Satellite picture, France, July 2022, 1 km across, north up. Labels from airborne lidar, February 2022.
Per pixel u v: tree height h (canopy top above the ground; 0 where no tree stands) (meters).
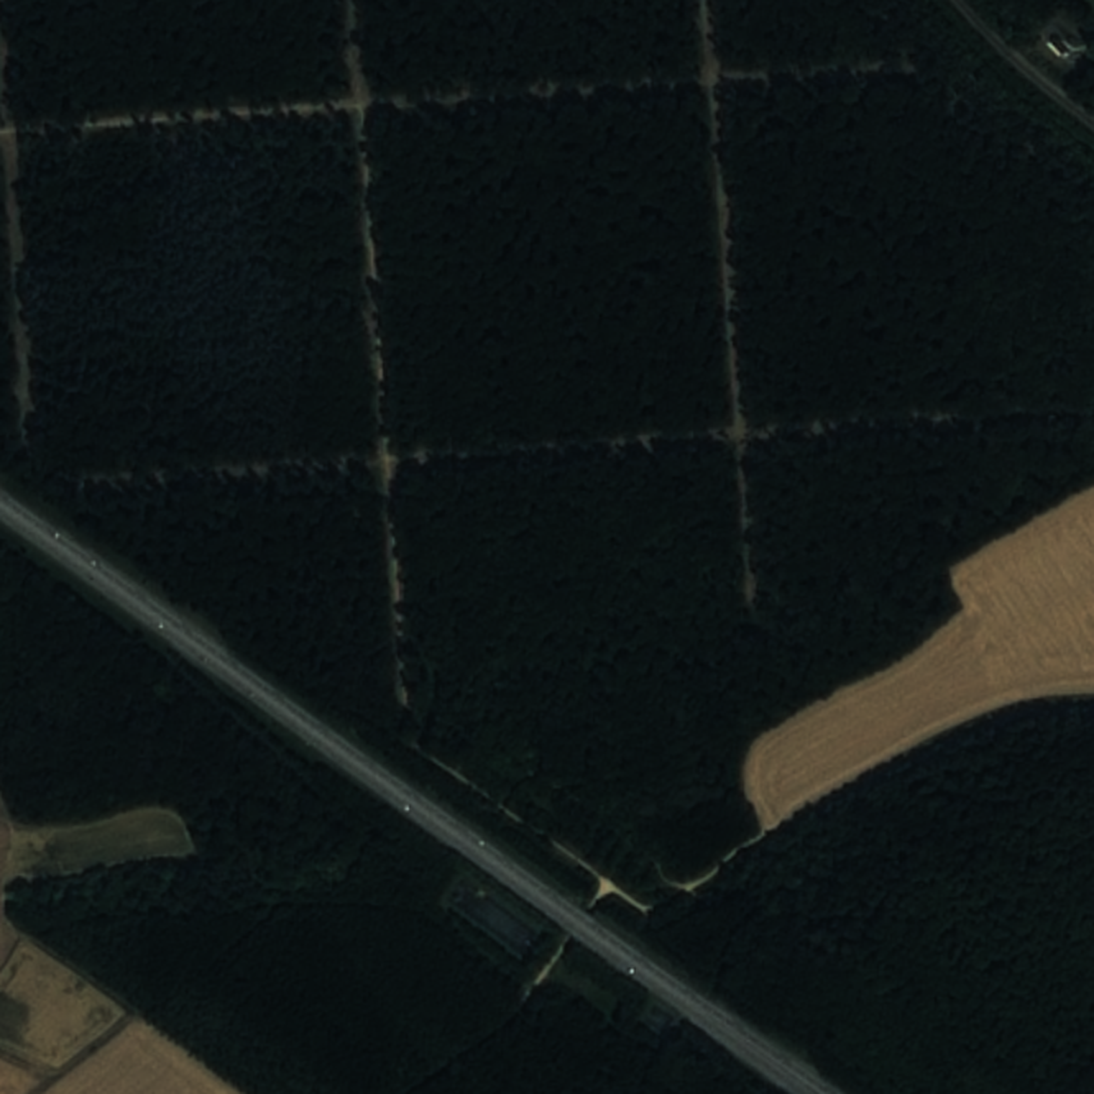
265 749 24
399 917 18
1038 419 21
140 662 21
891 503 23
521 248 23
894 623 27
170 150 24
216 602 21
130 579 0
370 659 22
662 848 9
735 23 28
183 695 25
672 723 28
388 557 26
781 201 26
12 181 0
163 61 28
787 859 17
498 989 18
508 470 26
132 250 29
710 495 25
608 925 0
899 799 22
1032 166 19
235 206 27
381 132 19
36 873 0
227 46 25
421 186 23
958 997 24
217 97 25
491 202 24
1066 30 0
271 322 22
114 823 0
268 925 13
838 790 0
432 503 24
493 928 0
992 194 23
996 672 0
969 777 26
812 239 26
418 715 23
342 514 26
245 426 27
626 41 27
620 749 26
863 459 25
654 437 0
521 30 25
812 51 23
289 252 24
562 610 20
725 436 0
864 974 23
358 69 0
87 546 0
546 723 21
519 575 25
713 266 26
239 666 0
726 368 25
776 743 0
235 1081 14
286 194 21
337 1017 15
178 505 25
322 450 25
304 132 21
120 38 27
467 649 25
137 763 24
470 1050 17
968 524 25
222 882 23
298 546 25
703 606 20
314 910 11
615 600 18
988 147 20
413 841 13
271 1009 15
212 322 33
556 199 22
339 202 25
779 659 28
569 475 23
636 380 25
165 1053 0
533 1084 13
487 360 21
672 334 26
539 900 0
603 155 28
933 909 21
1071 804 23
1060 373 23
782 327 29
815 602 26
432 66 26
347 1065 16
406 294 23
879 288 26
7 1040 0
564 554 21
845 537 24
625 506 21
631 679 26
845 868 27
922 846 26
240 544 28
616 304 24
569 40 25
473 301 22
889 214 25
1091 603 0
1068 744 27
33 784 22
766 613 26
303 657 21
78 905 20
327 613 25
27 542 0
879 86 23
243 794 21
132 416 25
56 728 24
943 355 24
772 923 28
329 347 22
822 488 22
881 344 25
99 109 22
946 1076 23
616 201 25
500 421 24
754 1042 0
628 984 9
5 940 0
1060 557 0
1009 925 23
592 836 12
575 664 24
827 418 21
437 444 23
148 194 24
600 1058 15
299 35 24
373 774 0
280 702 0
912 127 25
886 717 0
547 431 24
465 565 24
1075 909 23
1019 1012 23
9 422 29
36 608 20
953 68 20
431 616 25
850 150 24
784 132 27
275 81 24
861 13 25
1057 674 0
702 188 24
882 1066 18
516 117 24
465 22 28
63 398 23
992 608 0
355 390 23
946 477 24
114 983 12
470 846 0
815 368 28
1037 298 22
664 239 25
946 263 26
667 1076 21
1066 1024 22
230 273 27
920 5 14
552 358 26
